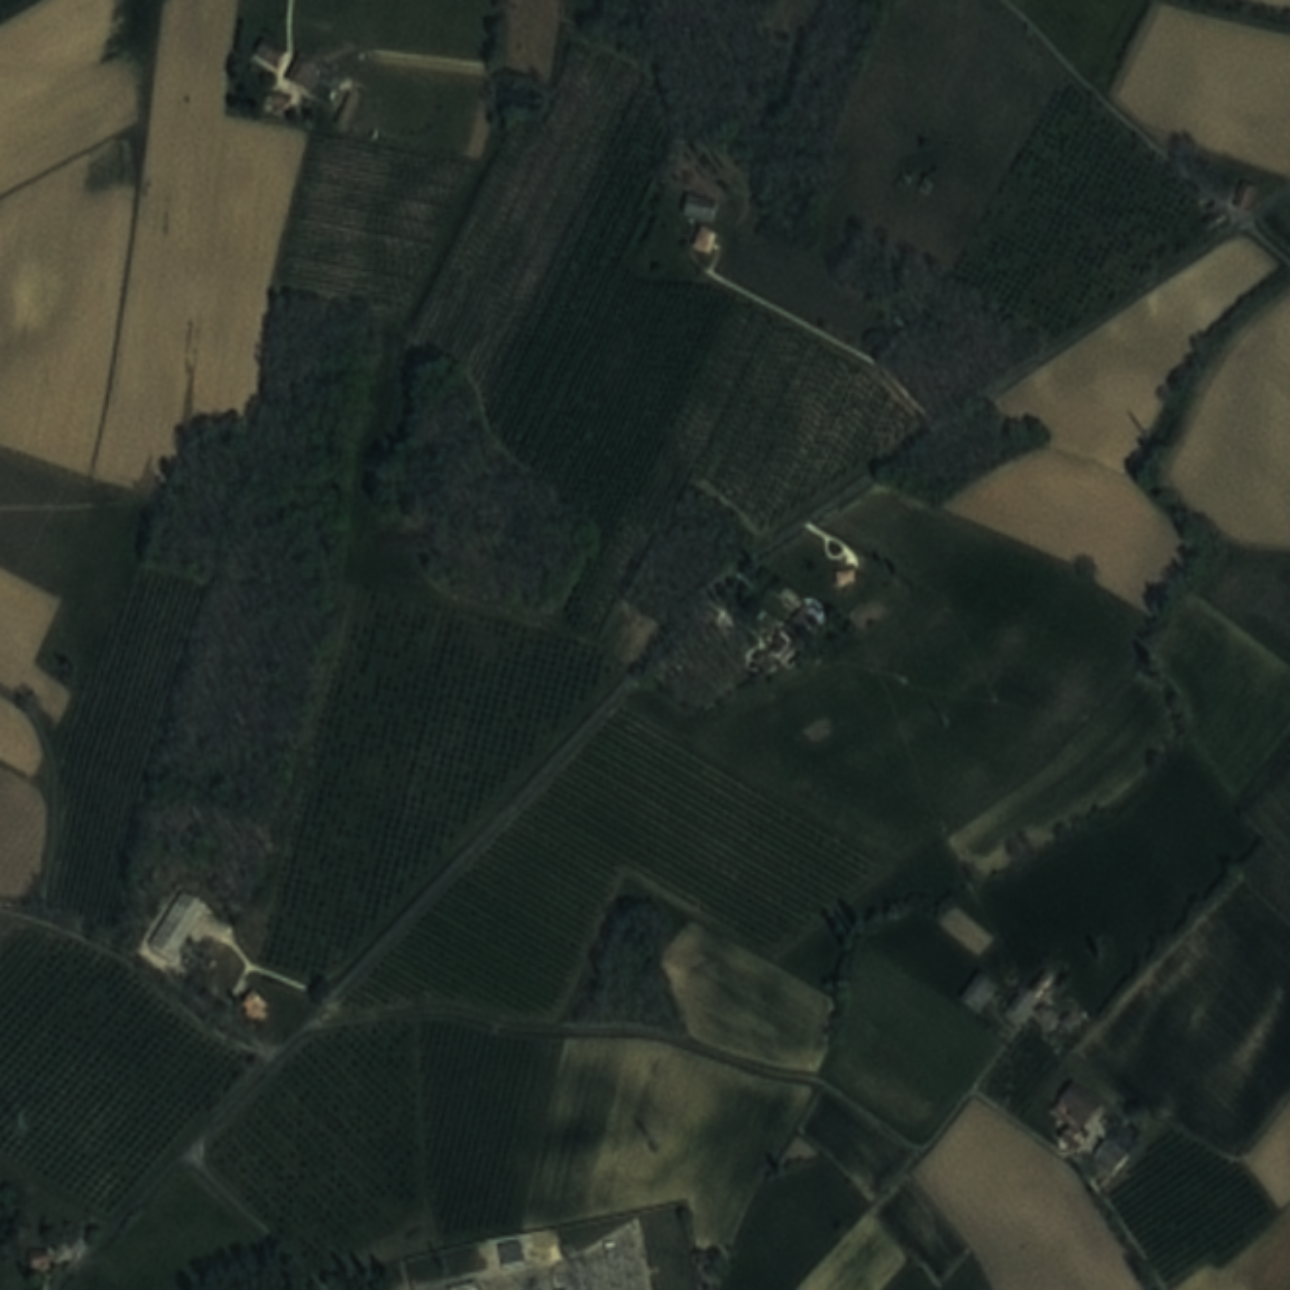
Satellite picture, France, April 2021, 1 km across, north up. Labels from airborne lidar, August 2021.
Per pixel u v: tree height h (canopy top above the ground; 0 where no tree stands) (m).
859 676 0
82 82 0
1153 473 21
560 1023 0
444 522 25
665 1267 0
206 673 20
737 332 6
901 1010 0
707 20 20
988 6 0
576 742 0
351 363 25
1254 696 0
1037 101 0
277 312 14
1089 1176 17
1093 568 12
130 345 0
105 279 0
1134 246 6
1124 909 0
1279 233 0
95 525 0
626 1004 17
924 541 0
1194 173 18
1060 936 0
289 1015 0
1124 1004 0
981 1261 0
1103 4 0
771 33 11
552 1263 0
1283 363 0
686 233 7
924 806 0
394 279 6
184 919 0
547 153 7
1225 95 0
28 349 0
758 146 14
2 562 0
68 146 0
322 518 28
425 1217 0
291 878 5
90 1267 0
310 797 6
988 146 0
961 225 0
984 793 0
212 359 0
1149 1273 15
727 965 0
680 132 20
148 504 0
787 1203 0
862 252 20
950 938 0
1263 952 0
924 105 0
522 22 0
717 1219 0
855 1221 0
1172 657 0
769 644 9
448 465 21
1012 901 0
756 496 5
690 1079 0
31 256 0
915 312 19
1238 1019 0
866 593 0
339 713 6
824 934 0
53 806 0
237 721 13
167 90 0
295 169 0
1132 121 0
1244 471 0
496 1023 0
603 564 7
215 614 18
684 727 0
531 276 6
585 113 7
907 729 0
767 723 0
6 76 0
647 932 22
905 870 0
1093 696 0
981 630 0
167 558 16
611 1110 0
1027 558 0
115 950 11
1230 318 15
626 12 15
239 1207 0
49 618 0
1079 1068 0
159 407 0
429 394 22
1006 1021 0
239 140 0
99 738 5
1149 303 0
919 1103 0
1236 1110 0
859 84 12
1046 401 0
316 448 22
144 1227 0
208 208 0
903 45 0
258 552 19
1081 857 0
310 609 22
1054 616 0
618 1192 0
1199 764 0
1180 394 20
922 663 0
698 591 13
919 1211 0
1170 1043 0
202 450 18
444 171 6
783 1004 0
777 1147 0
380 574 0
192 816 19
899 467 18
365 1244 0
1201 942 0
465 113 0
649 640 0
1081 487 0
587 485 6
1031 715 0
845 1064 0
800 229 16
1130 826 0
